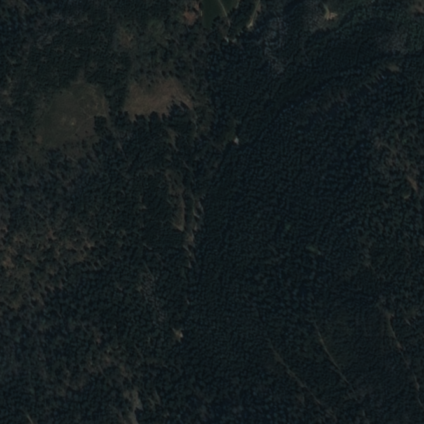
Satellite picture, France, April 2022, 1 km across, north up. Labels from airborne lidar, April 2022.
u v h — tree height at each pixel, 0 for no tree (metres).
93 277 43
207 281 36
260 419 16
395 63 31
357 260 25
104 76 17
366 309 16
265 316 22
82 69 15
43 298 7
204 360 33
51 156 19
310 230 29
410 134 29
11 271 23
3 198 17
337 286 18
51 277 28
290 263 18
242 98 29
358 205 27
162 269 31
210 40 31
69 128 0
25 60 18
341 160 22
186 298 26
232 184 23
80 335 31
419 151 27
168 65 39
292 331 28
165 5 15
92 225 28
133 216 24
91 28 16
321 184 24
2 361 27
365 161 25
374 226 34
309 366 16
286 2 22
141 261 30
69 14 14
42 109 14
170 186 14
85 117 0
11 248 19
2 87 27
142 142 23
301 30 30
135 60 14
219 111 28
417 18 14
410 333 23
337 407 12
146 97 0
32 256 27
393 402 30
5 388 21
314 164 23
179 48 19
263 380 26
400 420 26
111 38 15
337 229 25
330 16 0
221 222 17
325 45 16
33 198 27
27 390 26
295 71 29
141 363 26
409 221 23
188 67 34
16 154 19
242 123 25
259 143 31
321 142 29
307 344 25
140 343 14
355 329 14
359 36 27
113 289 29
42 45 16
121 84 18
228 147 0
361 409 26
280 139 32
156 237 17
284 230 17
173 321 32
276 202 33
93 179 23
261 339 28
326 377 17
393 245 18
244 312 28
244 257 30
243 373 22
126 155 17
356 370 12
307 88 12
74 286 28
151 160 25
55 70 13
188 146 22
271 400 30
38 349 26
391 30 18
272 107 23
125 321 16
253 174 31
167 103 0
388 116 9
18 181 25
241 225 29
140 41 11
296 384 7
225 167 25
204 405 15
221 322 29
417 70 32
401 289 12
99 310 12
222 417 19
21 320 23
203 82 10
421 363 17
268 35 24
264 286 16
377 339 15
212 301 31
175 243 17
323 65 19
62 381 9
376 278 9
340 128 22
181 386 27
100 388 36
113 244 20
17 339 33
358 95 27
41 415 17
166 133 21
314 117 0
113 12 13
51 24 14
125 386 15
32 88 14
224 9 0
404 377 24
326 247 28
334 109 0
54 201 24
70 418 12
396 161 26
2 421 6
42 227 21
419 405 22
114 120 8
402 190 22
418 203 24
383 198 25
